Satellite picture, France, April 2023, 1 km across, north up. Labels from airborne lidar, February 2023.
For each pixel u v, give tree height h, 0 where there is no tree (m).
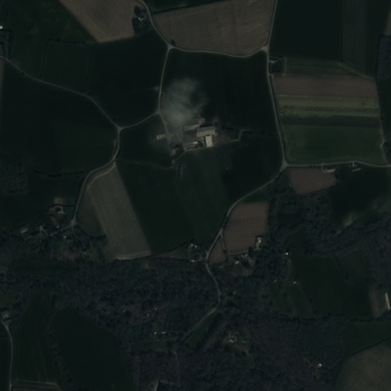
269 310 16
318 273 0
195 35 0
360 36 0
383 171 0
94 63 0
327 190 0
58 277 23
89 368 0
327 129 0
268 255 12
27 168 0
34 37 0
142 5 0
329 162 0
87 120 0
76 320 0
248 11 0
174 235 0
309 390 22
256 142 0
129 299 9
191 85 0
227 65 0
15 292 12
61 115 0
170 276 14
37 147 0
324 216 12
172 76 0
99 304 21
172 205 0
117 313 14
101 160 0
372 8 0
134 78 0
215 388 11
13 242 13
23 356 0
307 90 0
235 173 0
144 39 0
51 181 0
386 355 0
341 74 0
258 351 15
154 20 0
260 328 18
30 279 20
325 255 8
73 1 0
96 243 11
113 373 0
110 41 0
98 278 10
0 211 0
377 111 0
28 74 0
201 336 0
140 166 0
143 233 0
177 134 0
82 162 0
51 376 0
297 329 14
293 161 0
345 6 0
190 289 9
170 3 0
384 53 12
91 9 0
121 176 0
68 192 0
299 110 0
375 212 0
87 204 0
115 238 0
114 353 0
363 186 0
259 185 0
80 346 0
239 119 0
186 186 0
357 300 0
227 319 13
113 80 0
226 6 0
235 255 0
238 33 0
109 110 0
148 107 0
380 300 0
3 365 0
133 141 0
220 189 0
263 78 0
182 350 21
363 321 8
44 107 0
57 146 0
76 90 0
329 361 8
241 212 0
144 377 14
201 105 0
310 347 8
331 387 13
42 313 0
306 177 0
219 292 12
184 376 17
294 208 6
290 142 0
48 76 0
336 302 0
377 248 17
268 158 0
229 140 0
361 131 0
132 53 0
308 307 0
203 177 0
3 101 0
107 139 0
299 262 0
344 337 0
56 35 0
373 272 13
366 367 0
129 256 0
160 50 0
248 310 14
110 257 0
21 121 0
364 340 0
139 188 0
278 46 0
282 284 11
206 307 21
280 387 18
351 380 0
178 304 19
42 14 0
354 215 0
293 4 0
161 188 0
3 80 0
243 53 0
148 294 15
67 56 0
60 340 0
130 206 0
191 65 0
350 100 0
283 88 0
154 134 0
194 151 0
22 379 0
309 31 0
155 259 11
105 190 0
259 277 15
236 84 0
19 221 0
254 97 0
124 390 0
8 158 0
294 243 0
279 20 0
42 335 0
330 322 10
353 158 0
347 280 12
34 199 0
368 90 0
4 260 20
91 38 0
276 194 12
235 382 20
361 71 0
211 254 0
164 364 16
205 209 0
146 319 8
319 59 0
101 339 0
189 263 14
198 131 0
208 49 0
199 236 0
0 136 0
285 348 16
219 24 0
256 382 20
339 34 0
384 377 0
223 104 0
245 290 17
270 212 9
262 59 0
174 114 10
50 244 13
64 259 10
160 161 0
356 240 13
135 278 11
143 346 0
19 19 0
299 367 18
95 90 0
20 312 10
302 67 0
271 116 0
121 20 0
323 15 0
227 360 19
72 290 20
